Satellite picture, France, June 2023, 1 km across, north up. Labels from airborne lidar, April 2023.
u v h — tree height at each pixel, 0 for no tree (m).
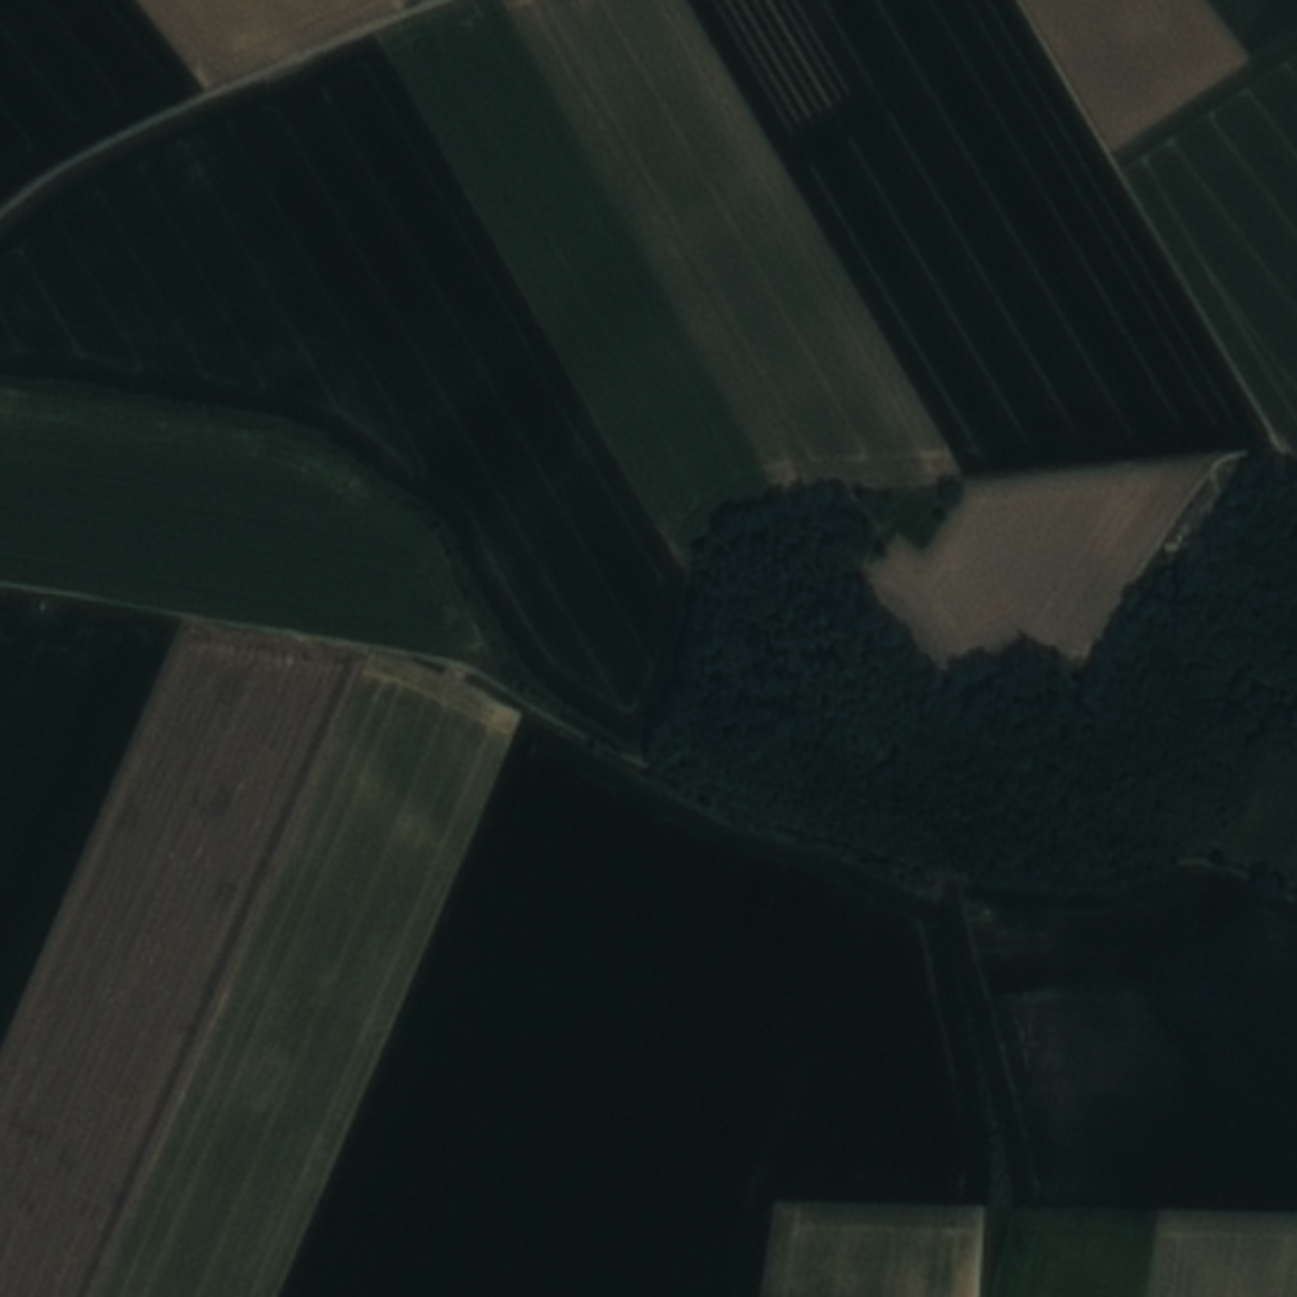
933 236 0
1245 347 0
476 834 0
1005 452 0
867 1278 0
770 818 10
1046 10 0
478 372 0
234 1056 0
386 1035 0
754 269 0
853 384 0
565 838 0
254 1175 0
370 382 0
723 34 0
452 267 0
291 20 0
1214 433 0
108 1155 0
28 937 0
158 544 0
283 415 0
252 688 0
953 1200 0
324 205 0
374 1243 0
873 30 0
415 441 0
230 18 0
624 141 0
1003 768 23
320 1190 0
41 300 0
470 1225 0
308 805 0
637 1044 0
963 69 0
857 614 25
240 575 0
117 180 0
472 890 0
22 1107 0
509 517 0
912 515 0
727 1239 0
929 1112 0
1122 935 0
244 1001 0
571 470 0
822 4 0
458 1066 0
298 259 0
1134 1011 0
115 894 0
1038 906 0
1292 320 0
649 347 0
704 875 0
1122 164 0
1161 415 0
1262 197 0
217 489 0
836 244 0
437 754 0
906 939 0
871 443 0
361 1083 0
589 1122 0
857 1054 0
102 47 0
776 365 0
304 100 0
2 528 0
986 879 7
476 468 0
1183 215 0
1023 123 0
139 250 0
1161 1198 0
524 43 0
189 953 0
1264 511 25
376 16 0
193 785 0
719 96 0
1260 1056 0
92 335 0
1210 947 0
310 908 0
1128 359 0
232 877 0
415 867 0
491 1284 0
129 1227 0
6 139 0
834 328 0
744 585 17
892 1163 0
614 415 0
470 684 0
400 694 0
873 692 20
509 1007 0
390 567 0
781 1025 0
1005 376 0
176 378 0
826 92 0
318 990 0
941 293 0
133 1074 0
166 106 0
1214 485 0
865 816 19
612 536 0
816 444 0
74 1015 0
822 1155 0
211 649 0
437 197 0
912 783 22
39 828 0
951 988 0
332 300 0
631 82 0
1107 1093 0
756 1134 0
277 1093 0
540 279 0
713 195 0
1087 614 0
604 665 0
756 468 0
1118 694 24
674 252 0
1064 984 0
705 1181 0
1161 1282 0
